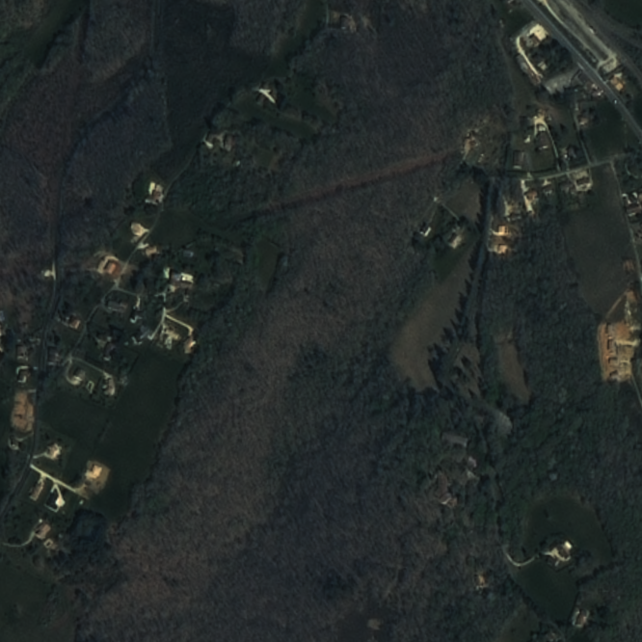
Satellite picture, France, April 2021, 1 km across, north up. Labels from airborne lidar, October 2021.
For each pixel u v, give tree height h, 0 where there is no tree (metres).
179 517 23
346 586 17
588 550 0
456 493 14
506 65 20
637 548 26
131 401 0
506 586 19
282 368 15
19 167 17
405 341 0
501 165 6
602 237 0
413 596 19
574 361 28
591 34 0
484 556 16
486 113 19
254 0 16
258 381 16
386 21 13
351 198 23
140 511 24
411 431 26
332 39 18
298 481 18
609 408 19
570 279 20
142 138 18
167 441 17
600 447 26
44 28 0
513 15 0
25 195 17
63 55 14
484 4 26
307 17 0
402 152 22
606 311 0
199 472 25
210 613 24
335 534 21
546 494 20
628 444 21
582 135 12
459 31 24
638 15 0
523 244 11
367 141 19
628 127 0
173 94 9
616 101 0
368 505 24
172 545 18
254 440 25
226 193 12
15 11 15
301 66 19
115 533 7
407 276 22
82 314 0
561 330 27
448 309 0
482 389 14
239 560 17
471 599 15
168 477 24
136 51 18
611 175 0
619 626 24
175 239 0
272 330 21
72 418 0
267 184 11
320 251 21
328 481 18
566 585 0
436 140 17
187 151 6
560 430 24
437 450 21
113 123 16
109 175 16
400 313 25
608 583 20
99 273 0
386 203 17
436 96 15
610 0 0
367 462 16
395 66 13
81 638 13
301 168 21
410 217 23
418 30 15
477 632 25
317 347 18
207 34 12
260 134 19
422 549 20
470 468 7
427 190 19
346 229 17
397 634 16
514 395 0
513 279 16
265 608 15
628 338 0
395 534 21
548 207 9
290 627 19
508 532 21
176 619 18
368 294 19
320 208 20
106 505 0
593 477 24
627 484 20
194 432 23
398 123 18
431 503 11
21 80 20
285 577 17
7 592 0
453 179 19
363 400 26
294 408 26
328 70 16
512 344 6
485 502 22
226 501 22
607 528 16
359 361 24
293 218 21
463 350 0
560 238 17
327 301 17
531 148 0
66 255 22
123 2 6
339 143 22
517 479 27
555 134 9
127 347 0
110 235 21
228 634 21
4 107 19
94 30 27
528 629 0
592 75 0
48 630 0
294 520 14
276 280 8
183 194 6
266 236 16
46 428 0
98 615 14
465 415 22
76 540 20
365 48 18
